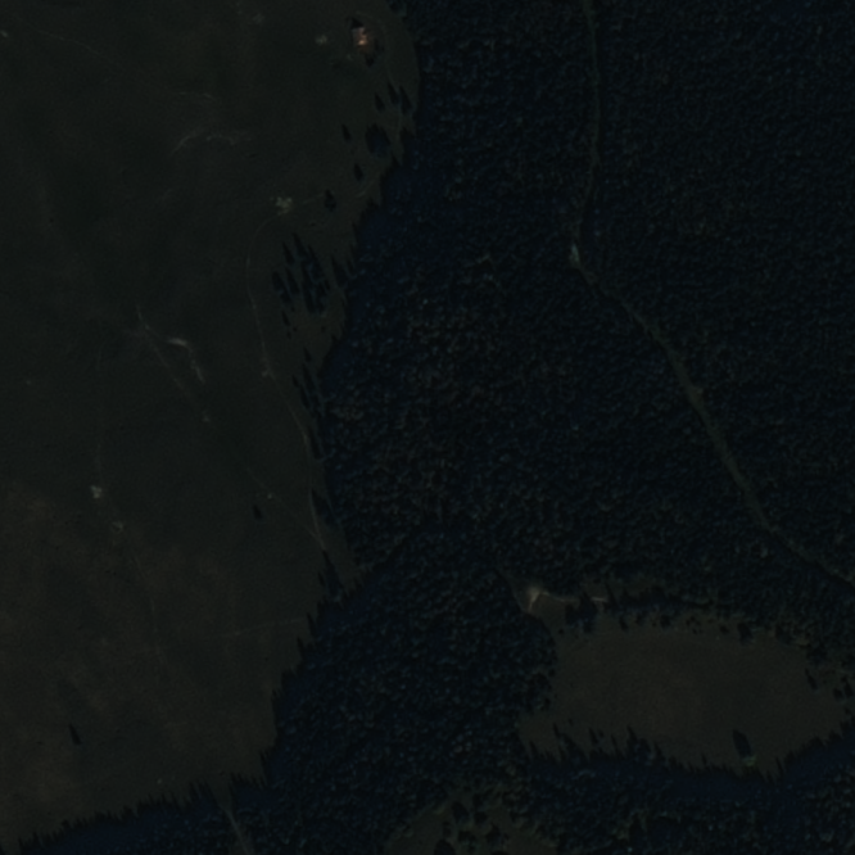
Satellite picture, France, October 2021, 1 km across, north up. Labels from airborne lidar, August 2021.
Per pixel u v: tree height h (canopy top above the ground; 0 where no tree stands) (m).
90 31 0
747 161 12
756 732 0
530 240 8
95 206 0
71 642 0
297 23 0
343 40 0
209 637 0
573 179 12
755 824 16
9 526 0
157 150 0
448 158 24
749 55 22
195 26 0
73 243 0
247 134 0
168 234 0
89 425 0
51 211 0
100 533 0
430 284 14
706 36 27
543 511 8
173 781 0
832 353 19
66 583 0
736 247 21
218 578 0
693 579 25
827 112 21
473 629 15
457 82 21
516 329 16
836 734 0
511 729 21
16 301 0
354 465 9
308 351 0
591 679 0
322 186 0
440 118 20
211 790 0
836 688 0
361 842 13
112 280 0
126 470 0
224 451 0
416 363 20
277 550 0
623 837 10
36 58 0
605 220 16
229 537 0
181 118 0
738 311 24
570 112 18
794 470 20
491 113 16
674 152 21
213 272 0
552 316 25
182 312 0
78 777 0
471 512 27
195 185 0
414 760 19
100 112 0
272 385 0
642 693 0
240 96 0
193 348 0
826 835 28
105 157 0
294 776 19
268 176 0
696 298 19
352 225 0
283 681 0
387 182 0
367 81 0
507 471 21
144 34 0
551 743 0
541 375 22
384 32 0
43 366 0
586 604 0
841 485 22
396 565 14
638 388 20
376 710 21
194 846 23
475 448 14
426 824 0
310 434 0
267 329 0
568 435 20
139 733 0
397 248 23
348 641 21
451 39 24
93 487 0
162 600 0
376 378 24
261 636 0
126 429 0
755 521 8
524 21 23
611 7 23
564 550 20
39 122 0
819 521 23
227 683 0
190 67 0
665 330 25
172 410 0
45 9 0
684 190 19
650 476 20
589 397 27
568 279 23
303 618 0
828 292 22
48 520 0
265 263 0
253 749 0
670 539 9
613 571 8
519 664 12
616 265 22
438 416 16
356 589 0
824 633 20
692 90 14
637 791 20
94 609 0
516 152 16
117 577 0
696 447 12
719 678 0
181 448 0
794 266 24
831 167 24
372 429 20
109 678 0
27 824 0
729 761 0
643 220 22
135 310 0
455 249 24
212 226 0
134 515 0
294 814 16
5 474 0
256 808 10
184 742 0
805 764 0
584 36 24
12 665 0
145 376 0
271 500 0
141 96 0
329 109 0
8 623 0
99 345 0
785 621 15
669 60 20
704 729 0
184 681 0
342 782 20
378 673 16
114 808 0
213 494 0
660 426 22
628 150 18
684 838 13
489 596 19
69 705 0
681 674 0
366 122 0
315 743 9
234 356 0
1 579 0
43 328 0
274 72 0
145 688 0
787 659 0
